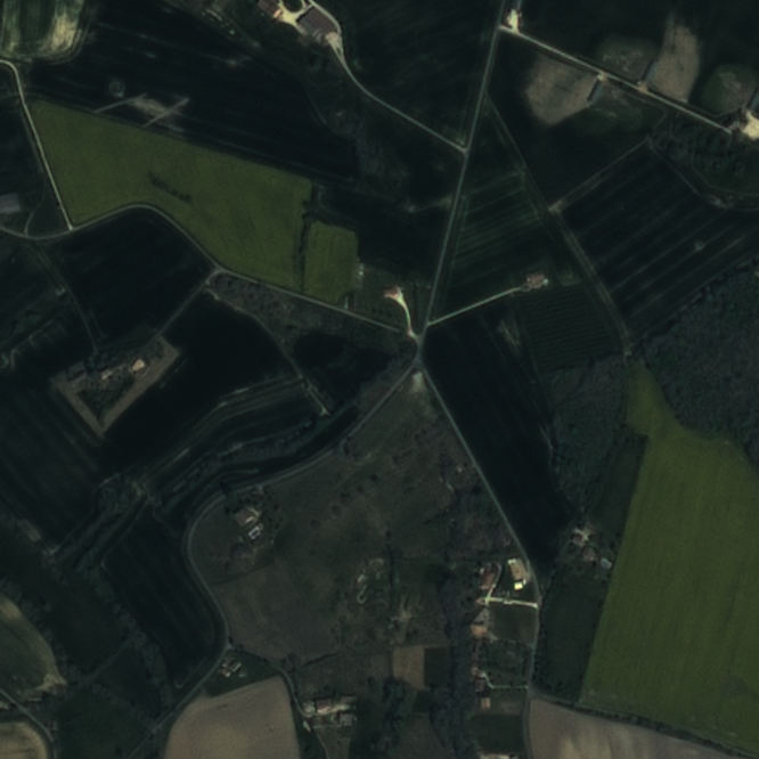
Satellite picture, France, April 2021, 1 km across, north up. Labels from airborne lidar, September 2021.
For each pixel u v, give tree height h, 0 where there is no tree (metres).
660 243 0
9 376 0
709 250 0
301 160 0
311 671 0
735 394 19
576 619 0
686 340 16
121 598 0
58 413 0
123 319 0
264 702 0
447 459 12
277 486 0
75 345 0
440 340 0
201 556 0
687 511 0
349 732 0
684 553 0
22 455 0
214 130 0
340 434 0
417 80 0
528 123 0
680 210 0
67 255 0
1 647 0
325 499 0
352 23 0
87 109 0
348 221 0
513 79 0
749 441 22
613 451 13
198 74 0
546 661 7
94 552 8
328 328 17
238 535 0
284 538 0
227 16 0
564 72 0
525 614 0
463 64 0
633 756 0
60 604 0
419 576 0
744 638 0
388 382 17
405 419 0
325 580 0
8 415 0
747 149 12
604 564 0
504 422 0
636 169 0
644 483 0
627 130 0
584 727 0
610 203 0
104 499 22
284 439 0
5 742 0
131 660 0
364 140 13
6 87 0
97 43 0
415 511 0
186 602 0
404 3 0
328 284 0
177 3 0
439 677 0
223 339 0
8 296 0
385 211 0
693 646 0
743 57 0
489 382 0
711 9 0
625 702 0
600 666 0
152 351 0
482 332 0
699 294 0
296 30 0
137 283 0
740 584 0
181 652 0
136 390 0
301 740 0
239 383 0
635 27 0
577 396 7
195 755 0
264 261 0
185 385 0
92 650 0
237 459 13
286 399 0
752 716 0
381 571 0
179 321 0
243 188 0
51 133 0
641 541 0
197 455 0
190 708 0
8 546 0
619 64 0
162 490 0
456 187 0
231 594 0
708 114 0
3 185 0
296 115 0
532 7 0
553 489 0
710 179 0
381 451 0
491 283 0
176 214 0
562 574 6
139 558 0
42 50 0
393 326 0
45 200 0
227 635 0
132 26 0
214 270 0
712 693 0
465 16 0
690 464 0
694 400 14
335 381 0
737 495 0
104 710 0
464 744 16
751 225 0
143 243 0
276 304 8
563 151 0
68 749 0
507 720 0
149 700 0
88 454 0
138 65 0
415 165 0
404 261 0
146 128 0
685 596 0
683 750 0
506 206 0
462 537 15
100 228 0
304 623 0
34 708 10
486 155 0
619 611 0
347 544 0
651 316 0
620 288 0
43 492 0
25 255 0
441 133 0
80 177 0
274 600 0
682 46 0
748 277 16
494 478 0
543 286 0
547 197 0
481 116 0
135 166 0
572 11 0
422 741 0
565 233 0
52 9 0
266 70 0
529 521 0
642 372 0
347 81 0
